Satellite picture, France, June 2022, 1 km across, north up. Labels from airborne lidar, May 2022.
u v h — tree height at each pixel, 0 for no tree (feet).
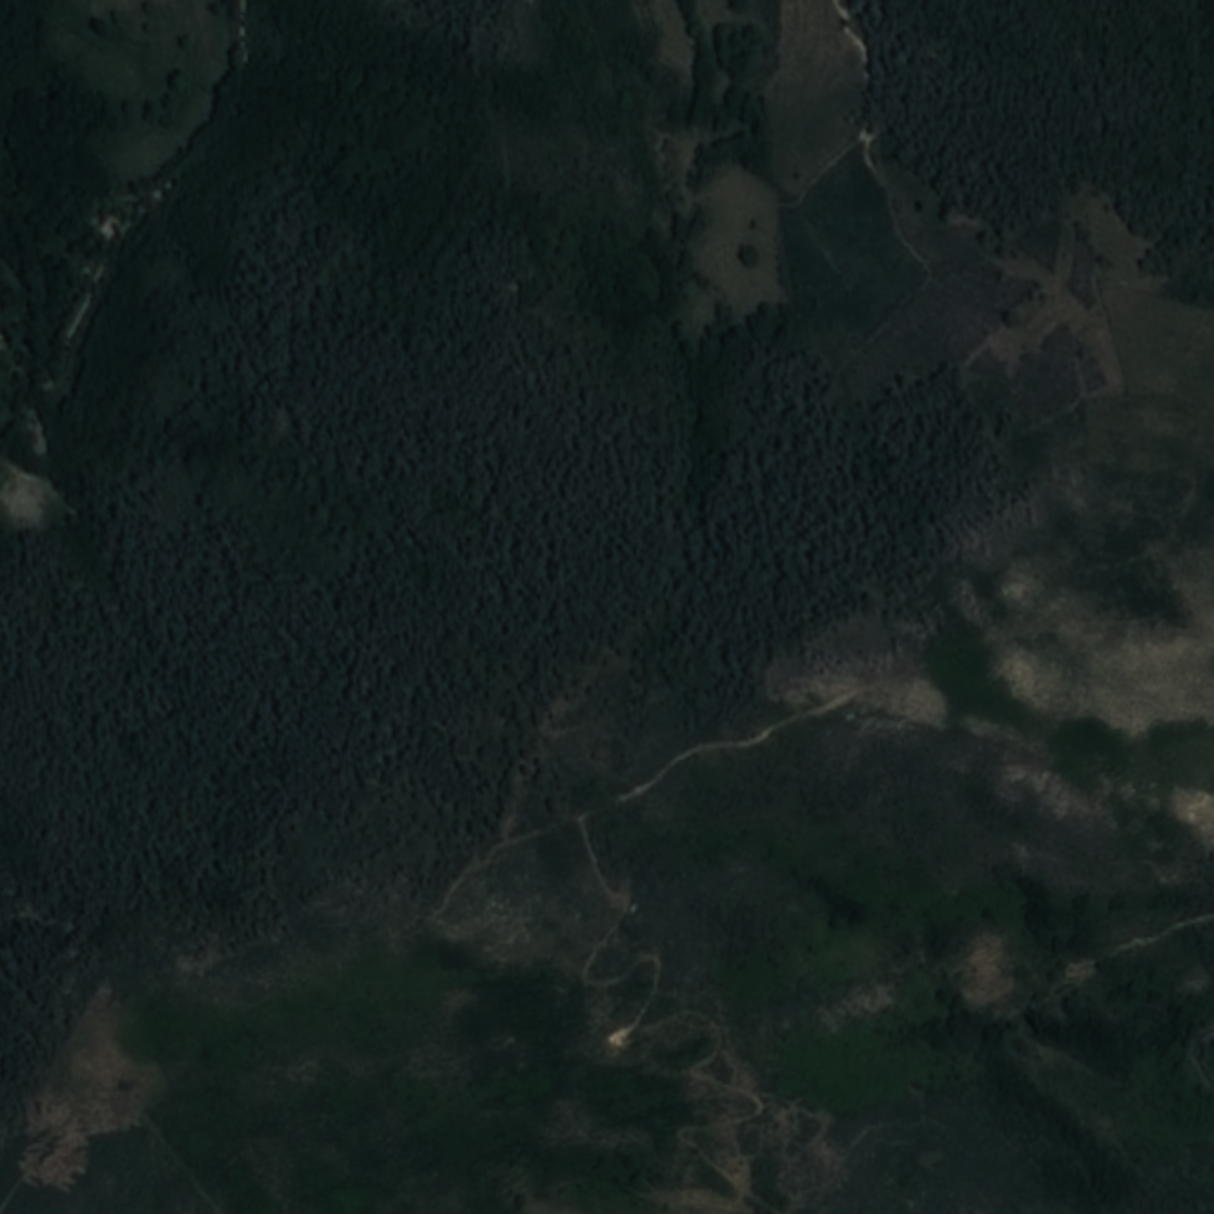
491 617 60
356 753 64
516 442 65
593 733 0
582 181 21
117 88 0
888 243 0
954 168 68
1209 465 0
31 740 59
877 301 0
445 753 39
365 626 51
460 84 39
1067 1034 55
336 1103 0
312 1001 0
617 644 47
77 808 58
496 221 30
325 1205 0
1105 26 45
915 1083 0
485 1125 0
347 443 37
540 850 0
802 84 0
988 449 36
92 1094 0
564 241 27
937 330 0
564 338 29
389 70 34
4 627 44
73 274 63
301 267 31
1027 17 77
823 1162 0
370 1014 0
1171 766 0
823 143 0
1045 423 0
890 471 70
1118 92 63
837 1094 0
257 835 55
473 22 52
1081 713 0
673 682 53
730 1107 0
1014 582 0
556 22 31
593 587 54
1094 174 47
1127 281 0
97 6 0
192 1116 0
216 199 29
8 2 65
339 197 39
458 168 21
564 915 0
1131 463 0
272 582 51
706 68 65
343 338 25
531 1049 0
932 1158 0
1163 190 45
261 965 0
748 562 50
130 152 0
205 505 42
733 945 26
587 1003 0
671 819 0
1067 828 0
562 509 70
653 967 0
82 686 40
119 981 0
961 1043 35
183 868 51
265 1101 0
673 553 70
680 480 31
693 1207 0
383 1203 0
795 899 0
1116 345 0
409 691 31
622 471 45
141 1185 0
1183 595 0
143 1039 0
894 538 36
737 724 30
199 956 38
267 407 48
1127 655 0
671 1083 0
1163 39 44
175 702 26
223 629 30
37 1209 0
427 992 0
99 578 22
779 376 29
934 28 31
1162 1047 22
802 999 0
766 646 38
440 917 0
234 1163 0
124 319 37
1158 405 0
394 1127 0
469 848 20
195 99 0
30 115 71
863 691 0
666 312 29
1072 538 0
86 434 42
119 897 49
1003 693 0
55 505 0
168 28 0
